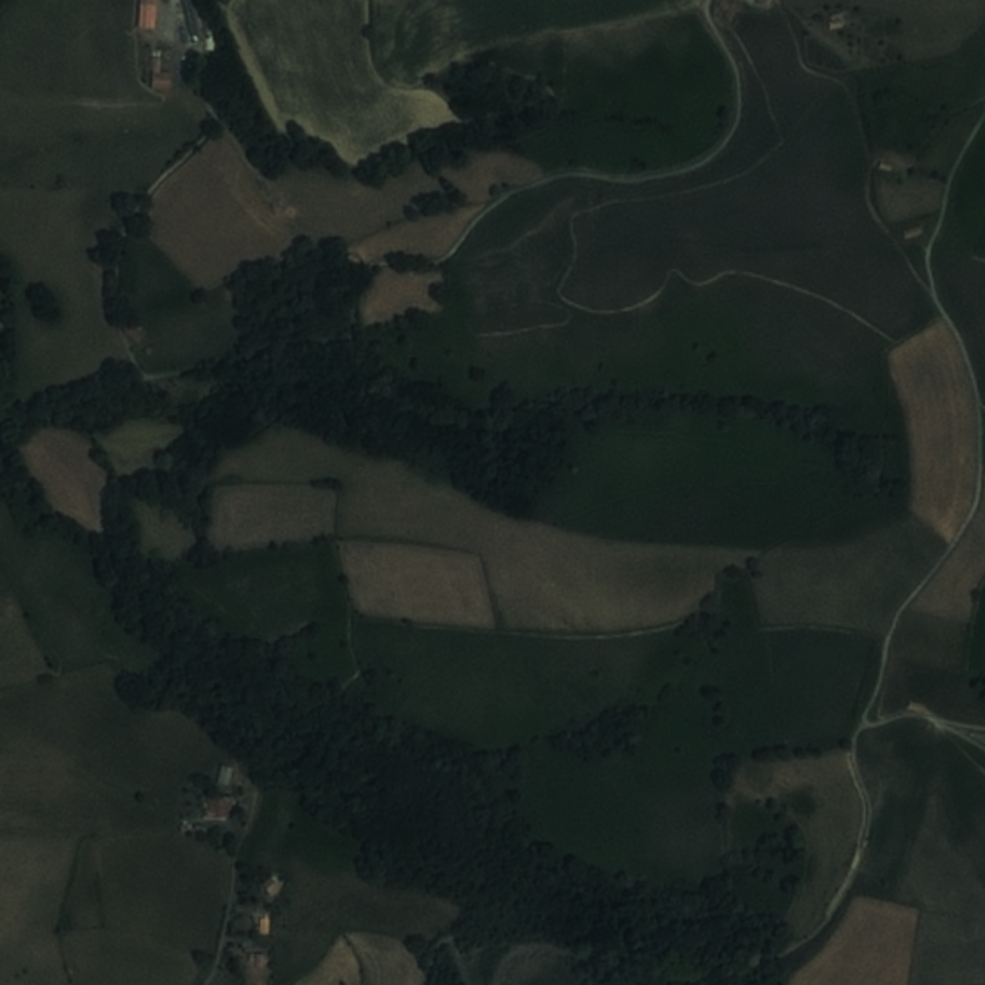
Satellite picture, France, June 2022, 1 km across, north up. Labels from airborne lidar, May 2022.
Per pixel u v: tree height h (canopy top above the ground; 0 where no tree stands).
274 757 22
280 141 14
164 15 0
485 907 6
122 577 21
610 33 0
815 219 0
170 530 0
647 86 0
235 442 16
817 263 0
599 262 0
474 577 0
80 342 0
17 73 0
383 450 13
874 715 0
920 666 0
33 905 0
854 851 0
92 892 0
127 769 0
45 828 0
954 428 0
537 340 0
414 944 17
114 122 0
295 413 21
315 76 0
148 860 0
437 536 0
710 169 0
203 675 24
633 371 0
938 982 0
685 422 0
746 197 0
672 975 21
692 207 0
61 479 0
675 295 0
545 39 0
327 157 21
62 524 21
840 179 0
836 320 0
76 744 0
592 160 0
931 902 0
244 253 0
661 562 0
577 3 0
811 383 0
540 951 0
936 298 0
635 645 0
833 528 0
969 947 0
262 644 9
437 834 10
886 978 0
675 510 0
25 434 21
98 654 0
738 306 0
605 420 12
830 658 0
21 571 0
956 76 0
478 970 0
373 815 25
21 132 0
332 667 0
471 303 0
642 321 0
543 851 22
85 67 0
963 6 0
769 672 0
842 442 24
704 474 0
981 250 0
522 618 0
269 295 18
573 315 0
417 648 0
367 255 0
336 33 0
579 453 0
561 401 17
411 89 0
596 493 0
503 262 0
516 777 16
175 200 0
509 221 0
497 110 5
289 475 0
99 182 0
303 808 10
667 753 0
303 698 27
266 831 0
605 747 14
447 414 24
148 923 0
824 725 0
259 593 0
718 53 0
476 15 0
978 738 0
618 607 0
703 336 0
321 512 0
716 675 0
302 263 21
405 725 8
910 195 0
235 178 0
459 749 17
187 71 17
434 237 0
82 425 18
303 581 0
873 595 0
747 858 15
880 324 0
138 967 0
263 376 24
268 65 0
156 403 21
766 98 0
